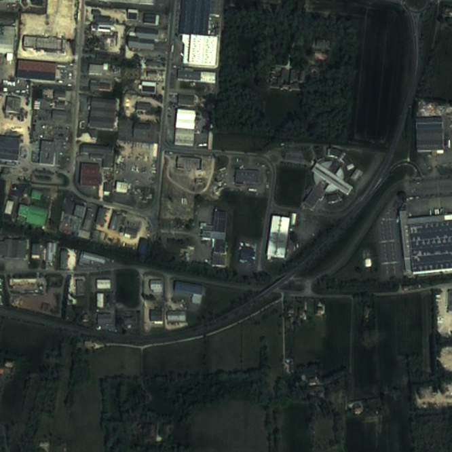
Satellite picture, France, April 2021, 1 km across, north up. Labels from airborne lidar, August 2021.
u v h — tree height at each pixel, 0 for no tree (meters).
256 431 0
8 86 0
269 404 13
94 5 0
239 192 0
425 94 13
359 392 0
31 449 12
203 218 0
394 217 0
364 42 0
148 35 0
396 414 0
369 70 0
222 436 0
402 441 0
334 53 0
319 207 0
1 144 0
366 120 0
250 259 0
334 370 0
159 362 0
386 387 0
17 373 0
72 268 0
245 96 17
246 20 23
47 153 0
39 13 0
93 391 0
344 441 7
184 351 0
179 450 12
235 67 12
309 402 13
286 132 20
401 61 0
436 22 0
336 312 0
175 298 0
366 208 0
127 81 0
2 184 8
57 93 0
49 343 0
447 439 7
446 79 0
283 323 0
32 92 0
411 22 0
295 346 0
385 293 0
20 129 0
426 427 6
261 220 0
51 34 0
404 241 0
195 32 0
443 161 0
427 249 0
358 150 0
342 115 22
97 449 0
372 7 0
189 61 0
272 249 0
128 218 0
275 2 0
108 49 0
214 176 0
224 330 0
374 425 0
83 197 0
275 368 0
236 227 0
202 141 0
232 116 16
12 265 0
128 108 0
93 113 0
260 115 16
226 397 9
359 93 0
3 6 0
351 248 0
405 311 0
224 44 14
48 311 0
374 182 0
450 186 0
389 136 0
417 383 14
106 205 0
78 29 0
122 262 0
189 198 0
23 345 0
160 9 0
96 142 0
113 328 0
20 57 0
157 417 11
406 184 0
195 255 0
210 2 0
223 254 0
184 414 7
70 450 0
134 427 17
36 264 0
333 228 9
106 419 14
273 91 0
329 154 0
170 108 0
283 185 0
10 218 0
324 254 10
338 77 23
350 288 16
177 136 0
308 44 18
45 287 0
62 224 0
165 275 0
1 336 0
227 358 0
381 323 0
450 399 0
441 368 12
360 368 0
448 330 0
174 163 0
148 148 0
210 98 6
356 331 0
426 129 0
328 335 0
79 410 0
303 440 0
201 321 16
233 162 0
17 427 17
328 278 12
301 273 7
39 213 0
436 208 0
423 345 0
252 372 12
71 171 0
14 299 0
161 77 0
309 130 10
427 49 0
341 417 16
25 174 0
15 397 0
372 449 0
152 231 0
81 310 9
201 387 9
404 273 0
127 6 0
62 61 0
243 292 0
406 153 0
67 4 0
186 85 0
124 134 0
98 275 0
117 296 0
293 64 16
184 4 0
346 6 0
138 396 13
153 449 11
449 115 0
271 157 0
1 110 0
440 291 0
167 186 0
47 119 0
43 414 14
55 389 11
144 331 0
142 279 0
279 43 17
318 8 0
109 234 0
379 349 0
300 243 0
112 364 0
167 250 0
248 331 0
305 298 8
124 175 0
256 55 17
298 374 6
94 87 0
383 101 0
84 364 10
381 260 0
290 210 0
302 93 23
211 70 0
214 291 0
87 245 6
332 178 0
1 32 0
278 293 0
